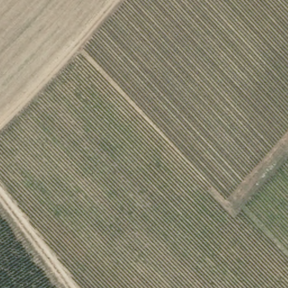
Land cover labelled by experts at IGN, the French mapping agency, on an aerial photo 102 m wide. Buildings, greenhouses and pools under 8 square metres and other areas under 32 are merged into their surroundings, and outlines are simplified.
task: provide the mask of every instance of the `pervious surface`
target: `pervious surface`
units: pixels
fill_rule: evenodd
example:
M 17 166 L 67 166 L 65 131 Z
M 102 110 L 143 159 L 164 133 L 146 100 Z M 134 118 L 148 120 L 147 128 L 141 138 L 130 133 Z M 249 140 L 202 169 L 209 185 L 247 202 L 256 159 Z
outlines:
M 80 34 L 66 43 L 51 63 L 28 83 L 22 93 L 18 94 L 15 101 L 0 110 L 0 126 L 6 126 L 18 115 L 38 91 L 69 62 L 78 48 L 89 42 L 93 31 L 121 0 L 107 0 L 105 6 L 88 24 L 81 27 Z
M 70 272 L 44 243 L 42 236 L 29 224 L 28 218 L 18 208 L 17 202 L 11 199 L 7 190 L 0 192 L 0 206 L 7 211 L 65 288 L 80 288 L 72 280 Z

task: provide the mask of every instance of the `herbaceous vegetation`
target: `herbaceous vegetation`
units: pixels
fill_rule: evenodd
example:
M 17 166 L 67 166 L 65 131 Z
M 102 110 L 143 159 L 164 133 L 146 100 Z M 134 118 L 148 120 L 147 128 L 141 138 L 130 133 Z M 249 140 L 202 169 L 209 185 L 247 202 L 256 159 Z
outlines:
M 226 198 L 232 206 L 236 201 L 241 202 L 246 193 L 259 186 L 265 175 L 276 168 L 282 154 L 288 152 L 288 130 L 250 174 L 246 175 L 232 195 Z

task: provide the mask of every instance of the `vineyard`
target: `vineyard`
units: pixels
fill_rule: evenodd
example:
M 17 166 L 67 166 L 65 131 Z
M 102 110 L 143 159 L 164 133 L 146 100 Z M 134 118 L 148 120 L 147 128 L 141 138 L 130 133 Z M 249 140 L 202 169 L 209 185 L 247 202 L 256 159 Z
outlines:
M 93 31 L 89 42 L 78 48 L 69 62 L 38 91 L 18 115 L 6 126 L 0 126 L 0 192 L 7 190 L 11 199 L 17 202 L 18 208 L 28 218 L 29 224 L 42 236 L 44 243 L 70 272 L 72 280 L 80 288 L 288 288 L 288 152 L 282 154 L 276 168 L 265 175 L 259 186 L 246 193 L 241 202 L 236 201 L 232 206 L 226 198 L 232 195 L 246 175 L 250 174 L 288 130 L 288 0 L 121 0 Z
M 0 206 L 0 288 L 65 288 L 7 211 Z

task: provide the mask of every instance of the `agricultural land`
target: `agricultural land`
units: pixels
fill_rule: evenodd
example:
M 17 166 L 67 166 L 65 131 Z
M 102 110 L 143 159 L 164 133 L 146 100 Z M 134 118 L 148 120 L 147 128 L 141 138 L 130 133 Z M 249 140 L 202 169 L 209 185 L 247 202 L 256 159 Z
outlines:
M 15 101 L 18 94 L 22 93 L 28 83 L 51 63 L 66 43 L 80 34 L 81 27 L 88 24 L 105 6 L 107 0 L 0 0 L 0 110 Z

